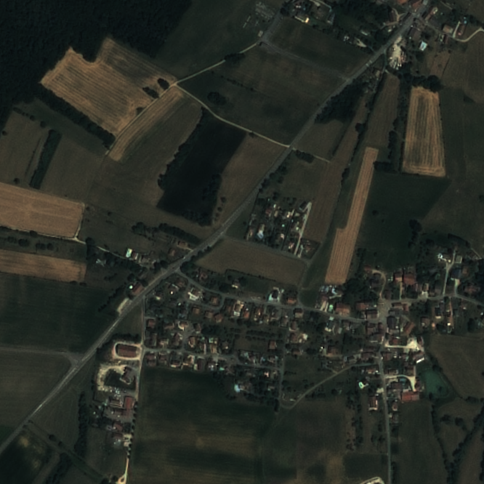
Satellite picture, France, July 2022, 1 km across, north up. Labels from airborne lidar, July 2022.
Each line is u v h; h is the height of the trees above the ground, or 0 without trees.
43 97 19
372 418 0
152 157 0
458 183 0
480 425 17
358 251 8
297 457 0
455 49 0
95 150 0
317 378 0
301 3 11
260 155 0
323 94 0
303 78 0
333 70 0
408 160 0
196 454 0
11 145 0
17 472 0
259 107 0
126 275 0
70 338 0
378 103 0
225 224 0
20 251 0
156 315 10
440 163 0
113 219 0
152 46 13
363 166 0
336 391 10
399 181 0
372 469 0
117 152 0
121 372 0
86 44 19
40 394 0
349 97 9
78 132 0
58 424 0
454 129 0
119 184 0
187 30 0
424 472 0
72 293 0
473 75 0
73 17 21
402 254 0
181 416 0
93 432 0
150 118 0
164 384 0
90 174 0
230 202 0
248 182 0
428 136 0
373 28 8
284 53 0
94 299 0
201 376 0
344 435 0
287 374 9
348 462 0
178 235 9
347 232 0
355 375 0
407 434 0
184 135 0
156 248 0
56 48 9
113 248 0
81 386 0
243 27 0
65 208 0
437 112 0
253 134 11
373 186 0
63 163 0
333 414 0
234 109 0
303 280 0
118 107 0
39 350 0
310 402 0
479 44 0
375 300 6
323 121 16
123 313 0
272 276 0
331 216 0
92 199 0
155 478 0
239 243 0
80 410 9
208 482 0
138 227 12
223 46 0
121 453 0
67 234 0
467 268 0
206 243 0
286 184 0
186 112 0
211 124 0
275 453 0
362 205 0
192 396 0
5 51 20
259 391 7
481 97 0
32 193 0
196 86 0
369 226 0
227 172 0
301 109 0
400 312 0
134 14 14
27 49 20
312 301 0
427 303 6
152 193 0
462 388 0
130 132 0
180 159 16
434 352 0
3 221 0
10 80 22
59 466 6
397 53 0
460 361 0
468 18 7
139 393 0
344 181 8
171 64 0
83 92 0
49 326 0
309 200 0
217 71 0
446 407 0
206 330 7
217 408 0
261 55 0
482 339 0
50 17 9
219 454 0
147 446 0
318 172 0
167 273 0
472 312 0
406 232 0
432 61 0
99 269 0
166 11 16
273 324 7
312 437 0
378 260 0
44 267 0
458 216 0
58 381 0
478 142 0
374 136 0
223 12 0
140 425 0
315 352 6
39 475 0
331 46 0
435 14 0
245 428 0
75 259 0
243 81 0
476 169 0
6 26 22
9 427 0
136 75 0
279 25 0
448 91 0
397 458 0
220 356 0
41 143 0
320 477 0
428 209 0
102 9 21
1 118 10
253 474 0
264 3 0
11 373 0
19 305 0
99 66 0
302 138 0
